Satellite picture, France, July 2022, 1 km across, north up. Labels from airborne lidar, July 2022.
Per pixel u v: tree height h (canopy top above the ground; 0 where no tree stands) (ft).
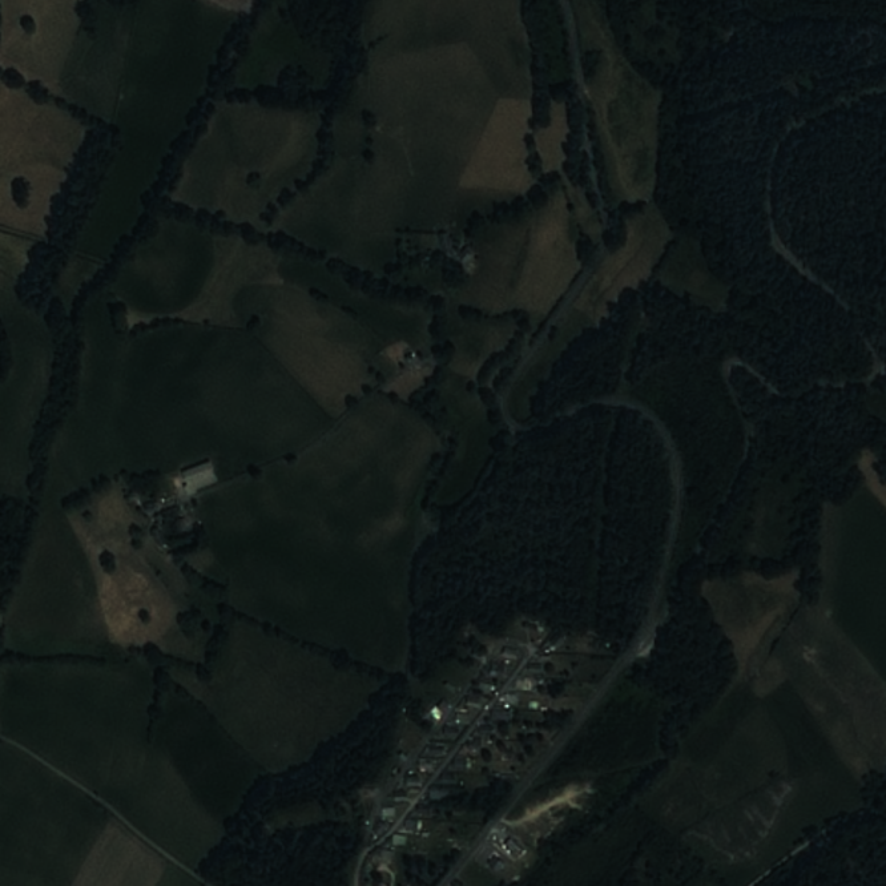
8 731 0
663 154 39
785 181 58
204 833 0
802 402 32
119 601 0
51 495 0
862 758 0
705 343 78
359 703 0
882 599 0
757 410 58
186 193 0
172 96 0
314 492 0
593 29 0
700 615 68
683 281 0
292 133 0
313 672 0
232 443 0
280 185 0
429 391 19
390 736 78
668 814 0
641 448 77
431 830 0
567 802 0
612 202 21
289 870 76
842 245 56
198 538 61
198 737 0
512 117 0
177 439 0
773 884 21
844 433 68
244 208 0
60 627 0
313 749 0
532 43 40
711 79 69
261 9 68
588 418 45
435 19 0
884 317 31
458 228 0
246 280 0
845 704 0
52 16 0
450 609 30
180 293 0
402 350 0
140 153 0
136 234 44
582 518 24
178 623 33
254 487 0
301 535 0
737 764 0
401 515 0
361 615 0
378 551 0
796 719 0
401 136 0
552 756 0
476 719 0
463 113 0
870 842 66
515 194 0
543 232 0
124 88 0
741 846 0
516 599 25
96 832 0
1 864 0
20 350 0
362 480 0
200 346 0
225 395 0
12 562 46
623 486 61
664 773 61
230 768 0
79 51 0
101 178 68
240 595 0
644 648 0
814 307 82
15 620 0
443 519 73
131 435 0
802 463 45
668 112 36
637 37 0
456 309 0
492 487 45
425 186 0
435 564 36
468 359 0
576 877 0
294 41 0
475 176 0
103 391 0
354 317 28
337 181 0
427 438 0
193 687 0
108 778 0
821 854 86
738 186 79
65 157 0
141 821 0
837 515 0
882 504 0
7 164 0
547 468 44
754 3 25
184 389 0
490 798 45
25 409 0
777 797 0
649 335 22
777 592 0
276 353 0
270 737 0
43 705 0
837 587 0
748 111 66
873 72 53
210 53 0
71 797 0
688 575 78
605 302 0
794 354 113
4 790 0
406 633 0
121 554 0
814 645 0
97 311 0
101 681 0
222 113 0
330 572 0
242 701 0
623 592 46
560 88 56
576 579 41
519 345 54
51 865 0
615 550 49
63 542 0
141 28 0
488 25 0
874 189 53
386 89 0
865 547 0
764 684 0
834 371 23
